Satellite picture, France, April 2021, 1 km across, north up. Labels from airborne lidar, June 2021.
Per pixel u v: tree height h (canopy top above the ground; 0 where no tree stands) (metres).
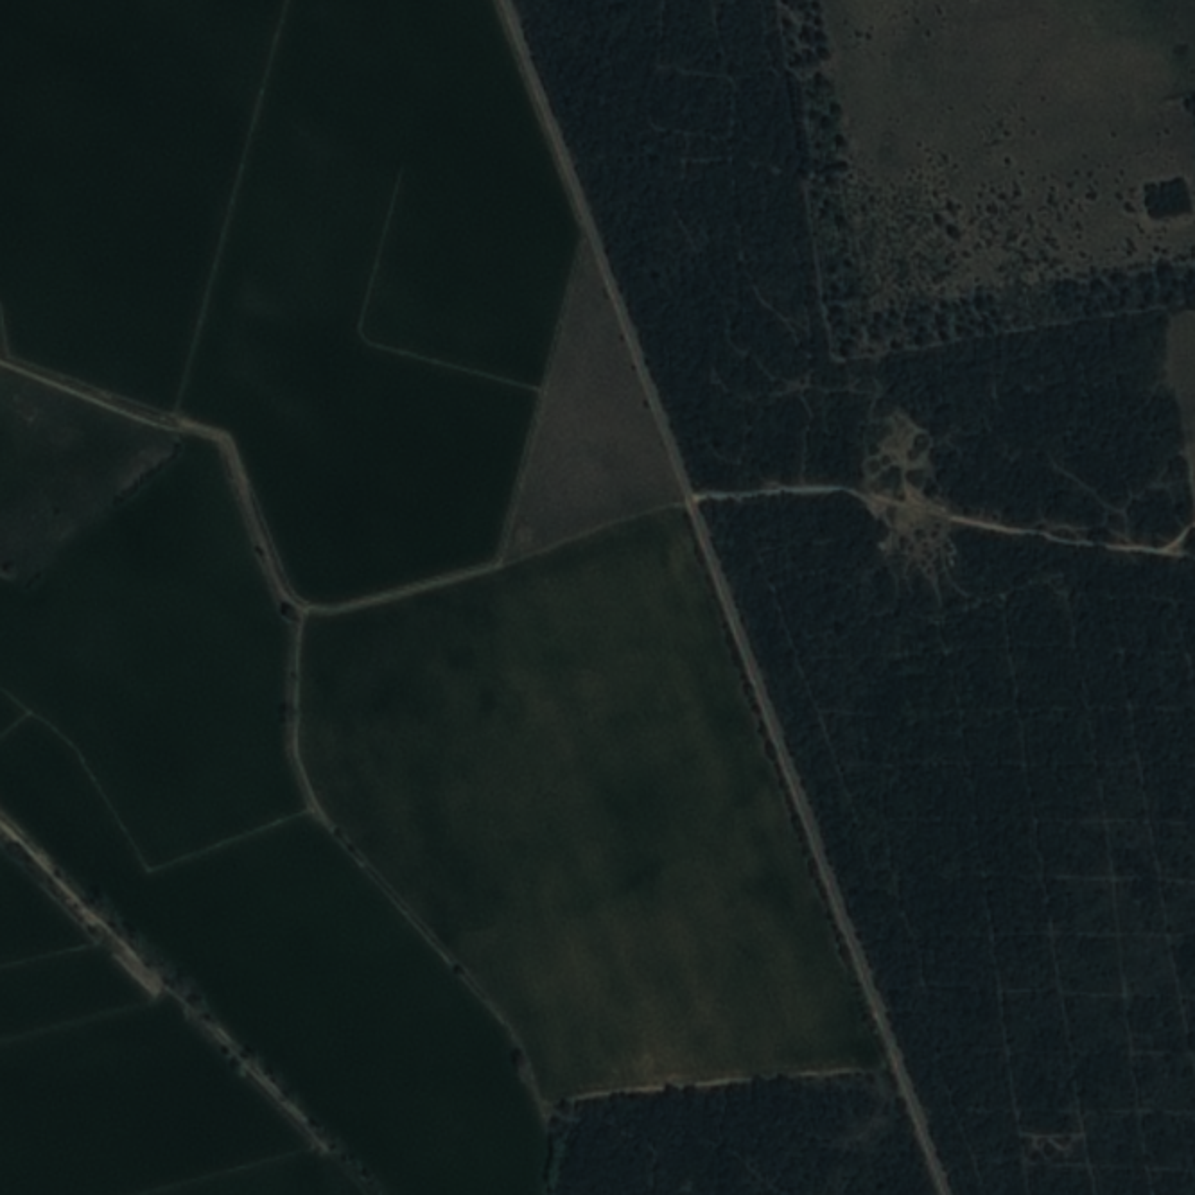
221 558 0
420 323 0
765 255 7
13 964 0
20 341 0
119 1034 0
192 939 0
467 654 0
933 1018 6
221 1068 0
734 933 0
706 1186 6
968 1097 6
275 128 0
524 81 0
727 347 6
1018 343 6
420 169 0
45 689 0
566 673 0
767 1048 0
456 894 0
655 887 0
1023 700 8
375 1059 0
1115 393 6
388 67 0
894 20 0
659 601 0
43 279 0
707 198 6
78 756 0
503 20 0
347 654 0
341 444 0
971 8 0
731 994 0
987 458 6
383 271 0
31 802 0
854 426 6
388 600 0
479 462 0
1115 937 0
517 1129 0
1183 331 0
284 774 0
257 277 0
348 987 0
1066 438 7
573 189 0
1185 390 0
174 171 0
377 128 0
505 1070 0
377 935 0
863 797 5
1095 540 7
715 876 0
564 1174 7
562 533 0
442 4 0
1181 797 6
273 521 0
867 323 7
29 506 0
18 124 0
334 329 0
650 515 0
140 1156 0
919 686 6
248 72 0
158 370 0
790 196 6
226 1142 0
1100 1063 6
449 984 0
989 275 0
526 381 0
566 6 6
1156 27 0
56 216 0
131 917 0
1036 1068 5
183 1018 0
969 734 6
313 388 0
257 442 0
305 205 0
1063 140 0
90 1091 0
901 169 0
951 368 6
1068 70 0
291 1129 0
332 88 0
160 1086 0
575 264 0
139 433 0
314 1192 0
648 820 0
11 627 0
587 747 0
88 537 0
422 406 0
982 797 6
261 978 0
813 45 7
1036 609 6
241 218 0
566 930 0
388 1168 0
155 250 0
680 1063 0
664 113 7
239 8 0
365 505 0
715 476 6
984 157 0
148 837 0
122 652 0
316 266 0
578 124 6
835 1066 0
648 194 7
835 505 6
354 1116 0
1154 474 6
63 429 0
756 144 6
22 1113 0
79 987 0
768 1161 6
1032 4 0
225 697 0
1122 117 0
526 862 0
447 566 0
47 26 0
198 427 0
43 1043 0
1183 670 6
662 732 0
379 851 0
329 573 0
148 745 0
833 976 0
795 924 0
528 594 0
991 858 7
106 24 0
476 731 0
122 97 0
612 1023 0
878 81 0
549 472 0
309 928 0
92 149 0
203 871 0
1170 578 7
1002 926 5
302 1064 0
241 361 0
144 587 0
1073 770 7
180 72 0
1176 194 7
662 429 0
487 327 0
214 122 0
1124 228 0
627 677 0
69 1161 0
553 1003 0
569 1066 0
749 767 0
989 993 6
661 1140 6
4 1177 0
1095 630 6
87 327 0
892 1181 6
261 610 0
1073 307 7
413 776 0
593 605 0
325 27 0
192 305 0
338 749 0
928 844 6
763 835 0
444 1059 0
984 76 0
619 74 7
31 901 0
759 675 0
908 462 0
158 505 0
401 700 0
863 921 7
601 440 0
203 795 0
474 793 0
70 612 0
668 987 0
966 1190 7
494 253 0
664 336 6
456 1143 0
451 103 0
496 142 0
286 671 0
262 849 0
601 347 0
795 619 8
